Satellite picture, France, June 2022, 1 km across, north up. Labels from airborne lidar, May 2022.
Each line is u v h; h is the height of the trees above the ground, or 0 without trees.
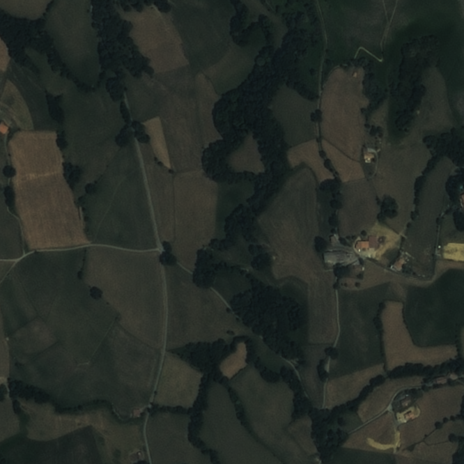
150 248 0
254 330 16
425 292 0
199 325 0
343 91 0
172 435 0
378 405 0
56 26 0
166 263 19
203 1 0
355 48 0
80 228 0
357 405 16
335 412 16
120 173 0
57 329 0
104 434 0
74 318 0
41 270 0
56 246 0
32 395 20
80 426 0
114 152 0
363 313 0
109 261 0
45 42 24
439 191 0
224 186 0
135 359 0
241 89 13
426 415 0
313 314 0
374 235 0
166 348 0
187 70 0
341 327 0
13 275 0
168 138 0
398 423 0
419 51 20
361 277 8
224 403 0
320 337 0
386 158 0
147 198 0
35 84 0
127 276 0
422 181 17
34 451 0
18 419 0
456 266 0
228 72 0
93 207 0
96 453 0
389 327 0
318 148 0
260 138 11
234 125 28
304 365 21
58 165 0
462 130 10
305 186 0
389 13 0
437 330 0
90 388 0
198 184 0
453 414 0
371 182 0
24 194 0
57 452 0
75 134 0
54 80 0
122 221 0
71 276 0
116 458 0
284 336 27
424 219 0
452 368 16
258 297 8
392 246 0
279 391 0
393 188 0
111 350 0
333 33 0
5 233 0
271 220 0
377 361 0
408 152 0
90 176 0
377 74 0
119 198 0
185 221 0
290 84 15
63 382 0
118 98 19
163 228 0
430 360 0
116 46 16
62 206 0
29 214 0
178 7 0
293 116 0
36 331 0
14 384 17
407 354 0
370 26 0
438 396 0
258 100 26
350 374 0
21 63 7
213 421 0
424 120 0
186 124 0
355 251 0
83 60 0
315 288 0
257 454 0
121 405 0
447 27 0
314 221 0
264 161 11
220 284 0
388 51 0
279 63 29
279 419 0
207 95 0
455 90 0
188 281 0
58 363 0
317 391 0
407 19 0
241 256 0
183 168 0
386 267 0
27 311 0
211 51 0
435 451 0
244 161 0
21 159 0
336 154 0
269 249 0
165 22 0
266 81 27
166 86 0
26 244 0
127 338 0
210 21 0
